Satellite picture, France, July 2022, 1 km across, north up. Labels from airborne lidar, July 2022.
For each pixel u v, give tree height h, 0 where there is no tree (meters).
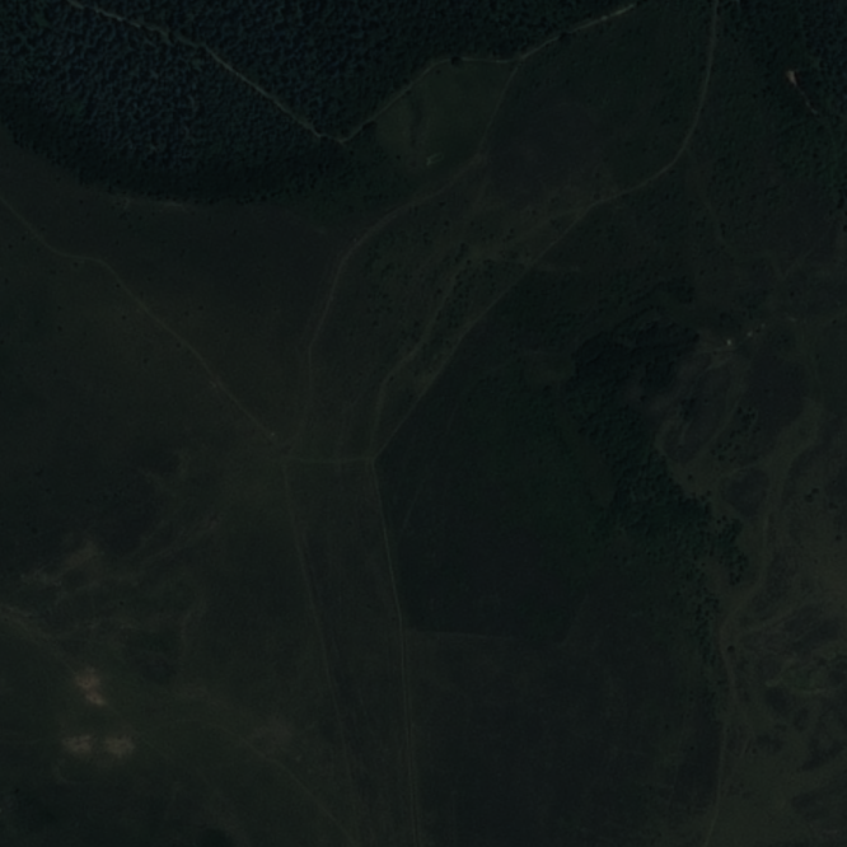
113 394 0
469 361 0
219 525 0
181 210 0
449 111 0
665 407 0
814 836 0
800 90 14
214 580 0
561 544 0
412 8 16
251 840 0
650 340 7
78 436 0
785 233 0
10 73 20
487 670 0
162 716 0
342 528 0
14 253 0
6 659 0
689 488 0
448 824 0
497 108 0
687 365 0
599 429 7
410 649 0
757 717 0
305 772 0
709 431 0
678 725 0
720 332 0
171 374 0
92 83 21
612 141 0
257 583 0
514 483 0
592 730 0
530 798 0
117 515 0
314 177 9
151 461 0
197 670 0
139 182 10
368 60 16
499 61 0
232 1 22
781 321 0
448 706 0
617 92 0
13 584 0
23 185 0
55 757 0
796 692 0
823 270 0
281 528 0
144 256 0
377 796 0
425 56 11
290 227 0
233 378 0
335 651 0
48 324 0
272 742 0
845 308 0
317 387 0
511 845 0
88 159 11
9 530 0
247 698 0
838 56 8
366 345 0
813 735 0
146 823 0
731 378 0
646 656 0
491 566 0
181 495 0
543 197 0
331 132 13
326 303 0
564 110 0
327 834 0
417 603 0
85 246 0
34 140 6
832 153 7
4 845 0
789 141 6
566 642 0
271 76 9
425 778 0
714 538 5
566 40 10
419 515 0
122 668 0
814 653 0
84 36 20
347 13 14
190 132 20
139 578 0
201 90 11
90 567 0
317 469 0
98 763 0
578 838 0
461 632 0
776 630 0
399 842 0
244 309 0
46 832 0
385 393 0
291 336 0
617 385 6
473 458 0
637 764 0
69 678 0
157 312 0
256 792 0
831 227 0
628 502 7
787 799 0
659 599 0
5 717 0
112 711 0
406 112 0
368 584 0
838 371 0
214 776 0
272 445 0
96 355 0
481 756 0
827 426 0
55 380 0
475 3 13
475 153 0
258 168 11
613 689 0
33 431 0
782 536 0
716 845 0
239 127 16
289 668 0
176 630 0
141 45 10
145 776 0
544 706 0
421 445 0
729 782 0
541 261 0
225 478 0
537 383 0
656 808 0
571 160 0
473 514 0
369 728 0
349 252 0
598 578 0
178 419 0
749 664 0
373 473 0
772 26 15
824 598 0
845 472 0
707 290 0
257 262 0
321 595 0
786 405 0
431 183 0
